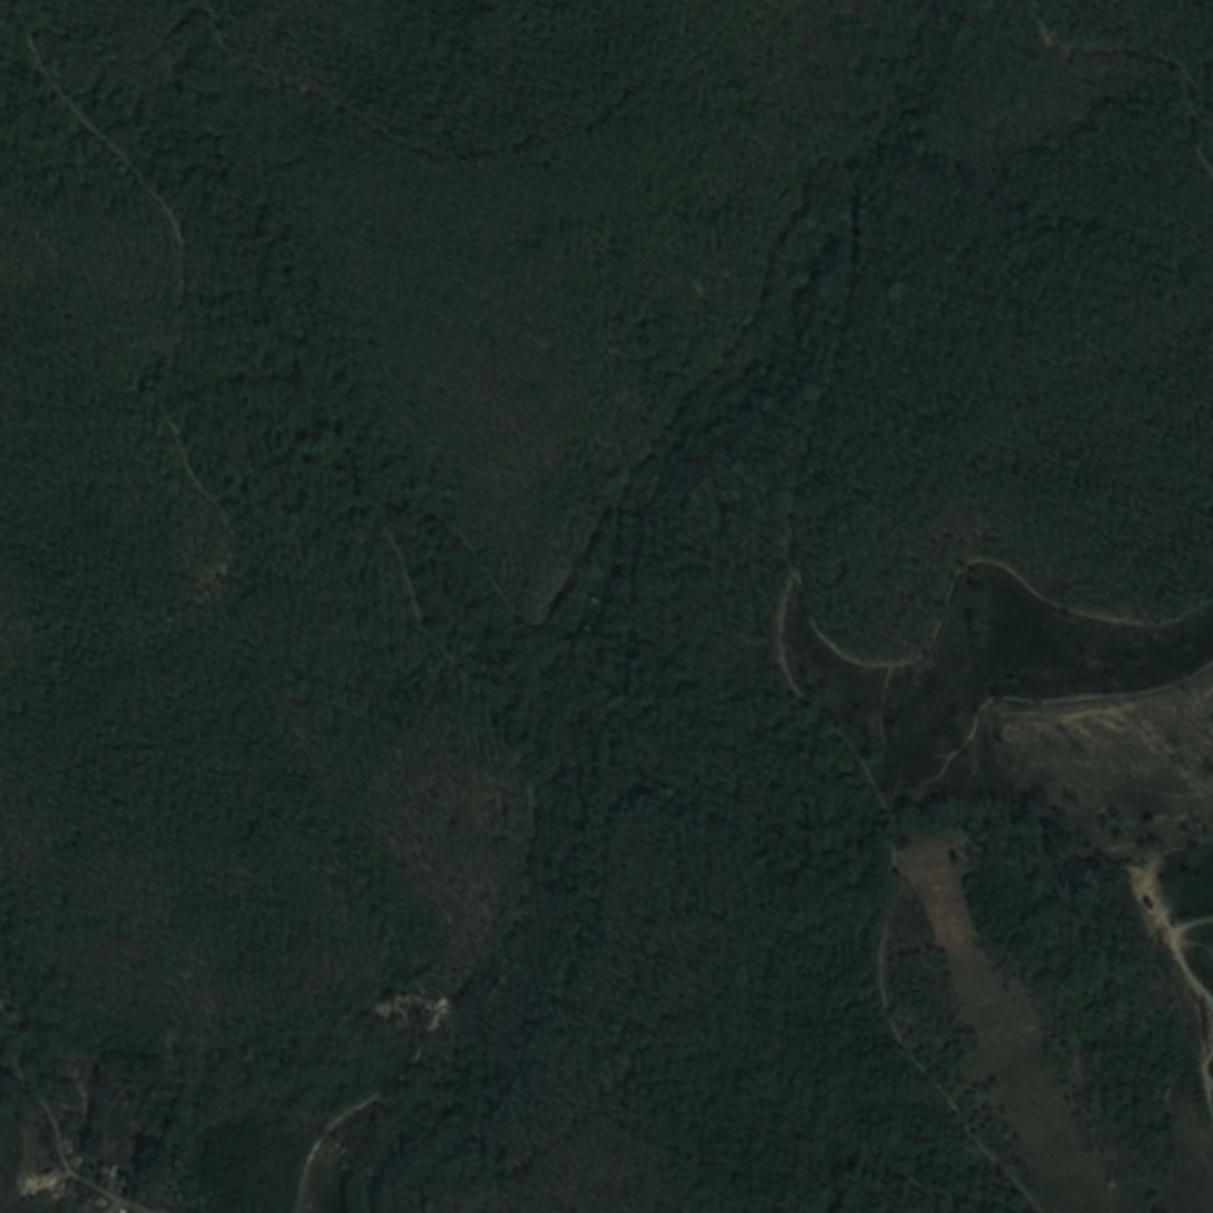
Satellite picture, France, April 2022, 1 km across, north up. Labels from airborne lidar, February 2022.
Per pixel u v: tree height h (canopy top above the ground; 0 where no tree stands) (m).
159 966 24
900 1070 17
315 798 20
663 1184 21
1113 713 0
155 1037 23
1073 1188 0
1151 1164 20
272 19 18
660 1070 19
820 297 25
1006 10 21
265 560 20
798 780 19
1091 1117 17
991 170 23
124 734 18
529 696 24
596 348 23
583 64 19
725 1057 21
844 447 19
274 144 22
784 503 24
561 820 22
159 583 15
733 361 20
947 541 16
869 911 25
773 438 25
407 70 13
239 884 20
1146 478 15
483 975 20
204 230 21
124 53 15
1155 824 15
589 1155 20
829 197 18
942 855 0
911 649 14
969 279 22
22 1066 10
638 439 26
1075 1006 14
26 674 22
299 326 23
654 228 26
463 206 20
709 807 20
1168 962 6
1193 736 0
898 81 23
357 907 25
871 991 16
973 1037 13
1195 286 20
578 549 21
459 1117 23
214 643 18
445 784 22
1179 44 18
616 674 17
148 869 22
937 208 25
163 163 26
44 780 22
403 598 22
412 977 14
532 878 19
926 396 18
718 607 22
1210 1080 0
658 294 24
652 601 24
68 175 24
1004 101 21
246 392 23
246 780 18
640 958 17
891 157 21
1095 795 0
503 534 20
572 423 21
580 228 24
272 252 22
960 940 0
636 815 17
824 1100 23
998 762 0
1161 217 19
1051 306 18
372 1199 6
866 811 16
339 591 23
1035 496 17
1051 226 20
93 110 12
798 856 21
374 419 22
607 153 24
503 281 19
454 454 21
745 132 22
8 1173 24
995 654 0
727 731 18
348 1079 13
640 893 20
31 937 24
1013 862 21
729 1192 23
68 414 20
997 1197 25
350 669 28
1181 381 13
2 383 20
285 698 23
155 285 16
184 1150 16
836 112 25
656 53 20
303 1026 19
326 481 23
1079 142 24
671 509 24
